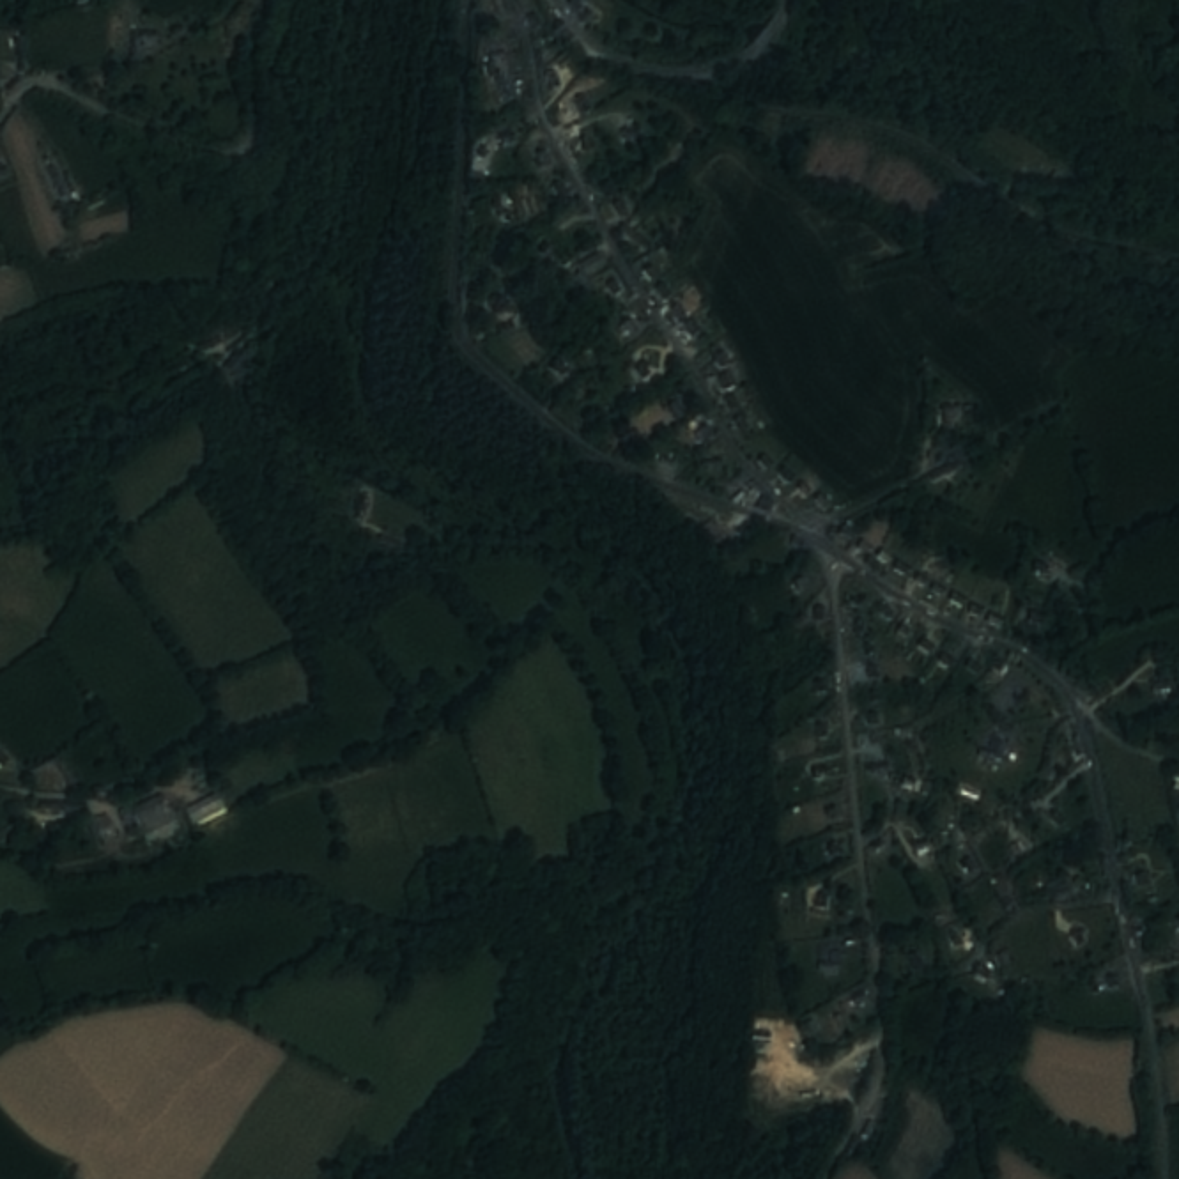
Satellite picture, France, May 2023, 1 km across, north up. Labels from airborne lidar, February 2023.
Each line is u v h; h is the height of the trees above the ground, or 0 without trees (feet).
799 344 0
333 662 0
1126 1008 0
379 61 35
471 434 88
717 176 0
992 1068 37
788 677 23
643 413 34
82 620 0
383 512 0
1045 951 0
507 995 51
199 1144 0
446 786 0
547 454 72
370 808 0
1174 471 0
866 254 0
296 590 75
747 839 50
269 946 0
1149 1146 34
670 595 66
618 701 0
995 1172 39
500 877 83
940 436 28
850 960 0
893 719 0
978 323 0
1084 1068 0
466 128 43
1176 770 47
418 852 0
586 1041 31
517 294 82
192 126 42
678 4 29
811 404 0
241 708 0
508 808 0
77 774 22
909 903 0
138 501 0
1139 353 48
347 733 0
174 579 0
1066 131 60
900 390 0
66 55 0
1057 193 90
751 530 46
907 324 0
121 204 0
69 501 62
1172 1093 0
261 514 59
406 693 53
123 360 26
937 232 82
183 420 46
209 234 0
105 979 0
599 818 26
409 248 80
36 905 0
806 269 0
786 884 27
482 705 57
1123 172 80
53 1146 0
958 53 88
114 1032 0
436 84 69
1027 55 67
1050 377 0
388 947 28
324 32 76
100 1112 0
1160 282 37
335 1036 0
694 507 0
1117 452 0
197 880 0
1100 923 0
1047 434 33
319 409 24
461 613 67
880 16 56
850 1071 0
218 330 41
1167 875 0
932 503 26
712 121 70
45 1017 19
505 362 0
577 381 38
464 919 77
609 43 20
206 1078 0
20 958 0
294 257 38
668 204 28
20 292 0
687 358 0
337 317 24
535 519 23
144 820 0
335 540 20
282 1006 0
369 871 0
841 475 0
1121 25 54
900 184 0
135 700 0
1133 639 0
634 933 30
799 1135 97
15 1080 0
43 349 69
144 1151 0
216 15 22
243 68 55
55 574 22
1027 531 39
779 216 0
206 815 0
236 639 0
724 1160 54
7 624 0
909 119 91
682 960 48
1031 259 68
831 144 0
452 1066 0
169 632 38
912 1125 0
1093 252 27
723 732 71
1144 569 0
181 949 0
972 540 0
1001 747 0
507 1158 83
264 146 49
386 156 33
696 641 81
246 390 51
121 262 0
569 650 65
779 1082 0
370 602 66
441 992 0
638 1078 52
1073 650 22
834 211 62
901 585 0
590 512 80
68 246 0
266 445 55
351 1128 0
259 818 0
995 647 0
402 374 92
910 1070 24
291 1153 0
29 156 0
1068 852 64
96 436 53
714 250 0
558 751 0
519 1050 69
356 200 43
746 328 0
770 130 0
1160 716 60
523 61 0
